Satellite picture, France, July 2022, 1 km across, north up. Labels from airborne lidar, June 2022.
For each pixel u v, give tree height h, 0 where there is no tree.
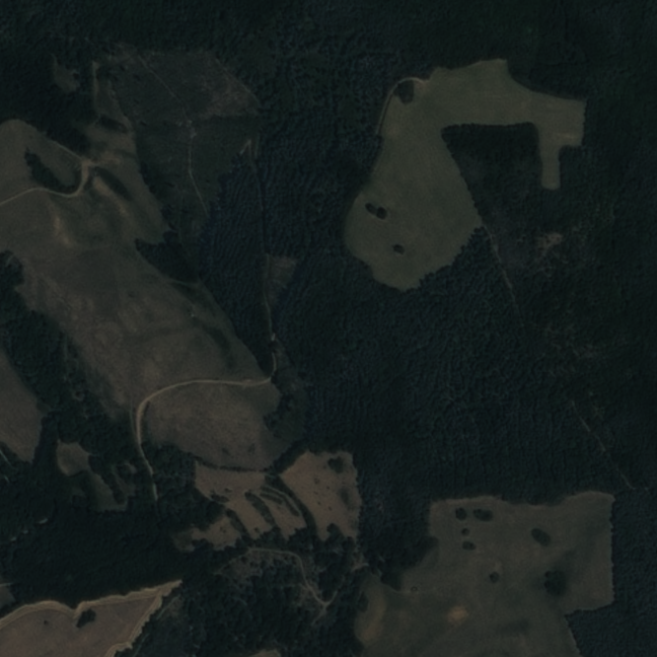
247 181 21
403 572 0
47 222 0
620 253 12
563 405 16
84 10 19
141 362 0
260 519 0
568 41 10
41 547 17
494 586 0
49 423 24
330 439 17
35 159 13
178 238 22
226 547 0
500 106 0
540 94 0
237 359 0
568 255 6
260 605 14
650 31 20
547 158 0
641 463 16
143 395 0
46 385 21
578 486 15
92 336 0
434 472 22
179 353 0
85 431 16
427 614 0
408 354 18
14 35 10
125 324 0
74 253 0
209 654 15
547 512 0
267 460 0
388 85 19
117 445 16
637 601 15
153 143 0
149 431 0
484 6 18
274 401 0
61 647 0
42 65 21
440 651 0
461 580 0
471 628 0
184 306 0
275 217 17
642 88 15
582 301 7
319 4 17
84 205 0
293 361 19
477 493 13
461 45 20
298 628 10
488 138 9
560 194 9
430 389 17
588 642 13
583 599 0
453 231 0
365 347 19
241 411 0
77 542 20
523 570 0
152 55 0
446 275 11
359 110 12
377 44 15
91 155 0
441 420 13
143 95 0
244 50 9
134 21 20
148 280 0
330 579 10
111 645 0
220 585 17
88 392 10
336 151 19
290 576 9
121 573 20
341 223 11
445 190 0
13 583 10
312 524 7
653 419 16
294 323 19
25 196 0
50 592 19
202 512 17
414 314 20
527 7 14
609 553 0
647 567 13
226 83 0
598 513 0
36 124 18
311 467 0
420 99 0
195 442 0
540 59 13
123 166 0
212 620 12
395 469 17
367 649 0
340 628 9
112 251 0
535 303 7
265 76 10
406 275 0
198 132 0
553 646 0
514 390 14
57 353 12
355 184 18
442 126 0
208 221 0
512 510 0
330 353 17
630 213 15
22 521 15
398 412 20
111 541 26
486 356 18
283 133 11
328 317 18
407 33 17
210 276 14
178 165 0
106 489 0
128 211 0
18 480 18
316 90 8
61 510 25
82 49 14
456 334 16
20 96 20
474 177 0
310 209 9
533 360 11
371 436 18
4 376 0
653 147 14
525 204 6
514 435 18
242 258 21
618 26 18
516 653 0
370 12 17
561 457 20
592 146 13
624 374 7
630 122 16
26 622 0
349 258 13
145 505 11
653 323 16
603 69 10
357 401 22
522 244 7
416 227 0
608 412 9
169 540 16
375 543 18
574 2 15
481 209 8
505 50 17
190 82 0
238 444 0
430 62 13
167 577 19
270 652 0
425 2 14
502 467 16
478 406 14
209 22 12
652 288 19
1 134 0
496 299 11
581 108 0
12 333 15
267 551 0
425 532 9
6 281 9
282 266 0
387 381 18
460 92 0
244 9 14
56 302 0
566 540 0
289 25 7
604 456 10
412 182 0
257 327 17
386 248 0
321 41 12
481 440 17
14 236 0
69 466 0
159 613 6
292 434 0
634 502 15
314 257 19
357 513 0
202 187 0
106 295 0
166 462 13
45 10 7
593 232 6
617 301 6
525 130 13
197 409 0
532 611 0
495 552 0
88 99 10
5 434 0
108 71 6
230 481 0
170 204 0
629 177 10
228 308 14
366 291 14
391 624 0
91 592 21
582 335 7
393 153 0
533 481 17
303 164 15
